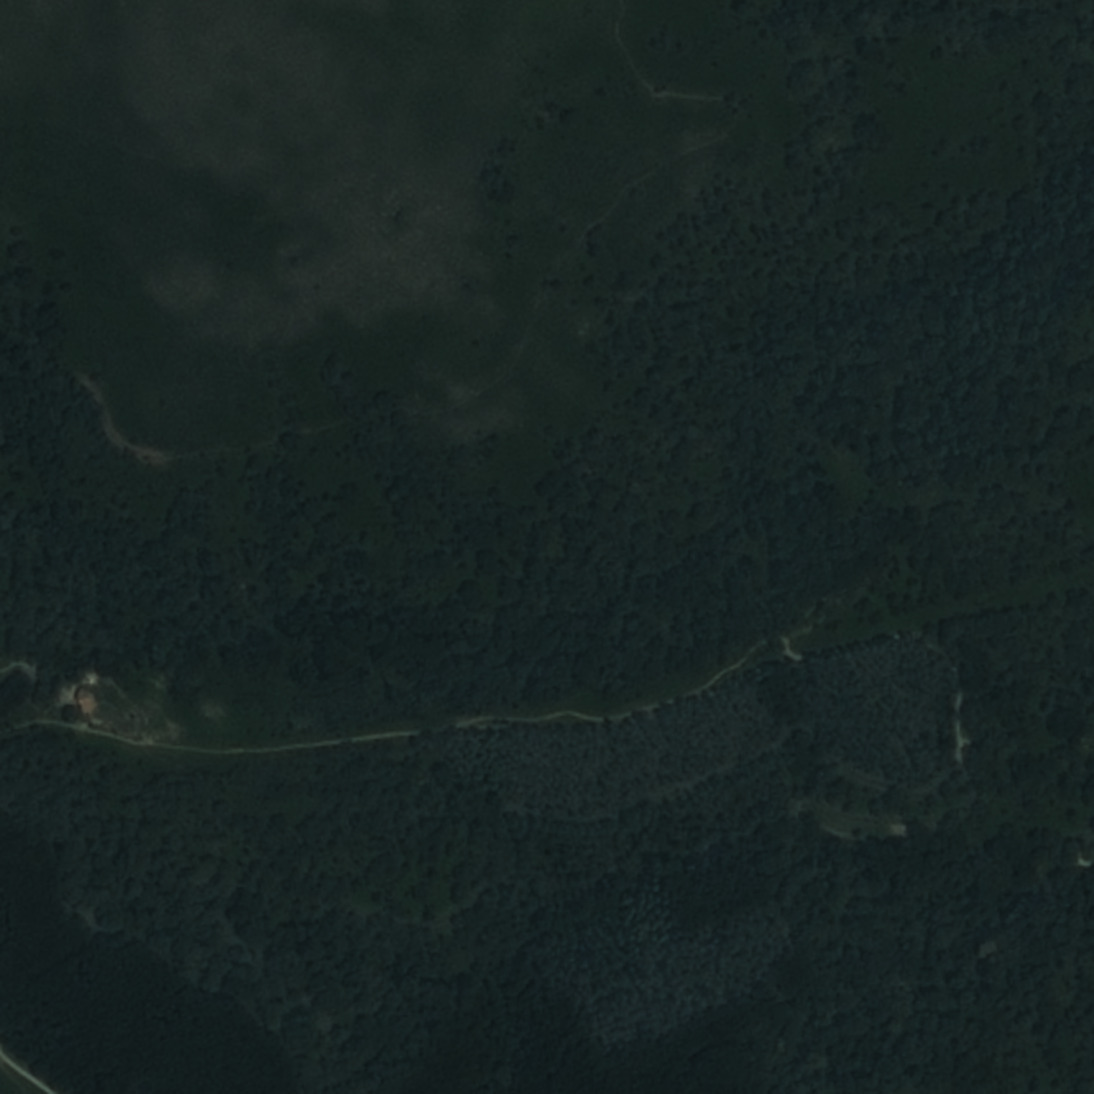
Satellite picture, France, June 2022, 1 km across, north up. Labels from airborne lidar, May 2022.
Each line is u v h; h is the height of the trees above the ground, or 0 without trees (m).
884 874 25
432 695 21
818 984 28
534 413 0
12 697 19
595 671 16
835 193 26
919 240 16
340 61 0
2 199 0
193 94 0
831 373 17
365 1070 14
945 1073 8
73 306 0
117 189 0
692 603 21
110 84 0
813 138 27
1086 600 21
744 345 20
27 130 0
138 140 0
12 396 20
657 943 25
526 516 16
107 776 18
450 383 0
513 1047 21
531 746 24
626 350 15
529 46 0
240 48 0
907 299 28
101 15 0
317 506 11
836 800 18
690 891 30
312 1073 19
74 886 22
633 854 17
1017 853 31
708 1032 27
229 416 0
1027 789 17
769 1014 27
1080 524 13
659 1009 26
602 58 0
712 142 0
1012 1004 9
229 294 0
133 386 0
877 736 28
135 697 0
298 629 33
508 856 22
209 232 0
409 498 13
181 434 0
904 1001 24
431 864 14
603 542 15
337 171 0
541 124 7
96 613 19
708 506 16
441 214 0
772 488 25
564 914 34
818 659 21
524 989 16
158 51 0
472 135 0
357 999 9
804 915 15
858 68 25
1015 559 9
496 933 19
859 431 23
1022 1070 13
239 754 0
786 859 19
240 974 25
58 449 13
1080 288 18
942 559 18
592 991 22
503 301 0
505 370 0
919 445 24
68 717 13
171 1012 28
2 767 20
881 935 16
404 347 0
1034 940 26
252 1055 26
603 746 27
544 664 17
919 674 25
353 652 32
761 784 27
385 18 0
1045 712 15
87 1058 20
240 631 24
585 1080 18
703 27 0
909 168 0
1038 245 16
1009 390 24
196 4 0
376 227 0
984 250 12
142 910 13
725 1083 20
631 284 21
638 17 0
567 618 22
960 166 0
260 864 16
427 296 0
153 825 21
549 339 0
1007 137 0
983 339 22
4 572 17
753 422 21
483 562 18
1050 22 24
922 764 24
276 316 0
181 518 14
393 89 0
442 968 21
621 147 0
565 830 26
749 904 29
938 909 21
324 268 0
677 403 23
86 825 28
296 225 0
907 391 19
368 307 0
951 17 25
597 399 0
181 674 26
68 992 27
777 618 17
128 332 0
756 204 23
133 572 27
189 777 9
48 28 0
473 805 29
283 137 0
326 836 17
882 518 17
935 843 26
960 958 26
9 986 20
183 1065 26
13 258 13
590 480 9
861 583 15
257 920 18
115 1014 26
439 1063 20
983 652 24
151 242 0
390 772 19
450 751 27
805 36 24
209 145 0
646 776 25
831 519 15
